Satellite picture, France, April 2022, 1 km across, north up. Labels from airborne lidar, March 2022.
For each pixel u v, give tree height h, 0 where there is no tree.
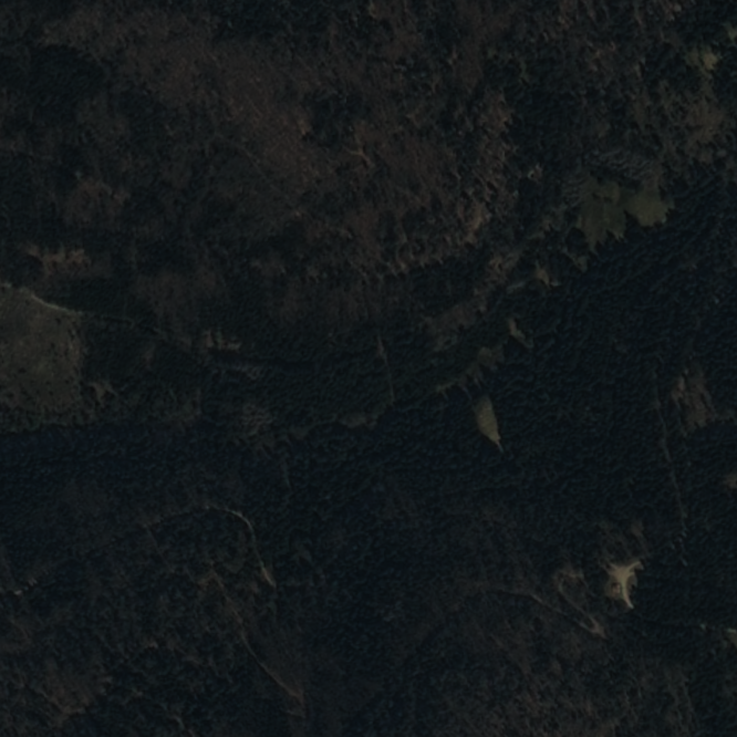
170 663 25
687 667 24
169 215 17
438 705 14
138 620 8
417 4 29
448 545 22
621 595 0
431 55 31
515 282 34
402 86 9
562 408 9
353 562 19
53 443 28
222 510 17
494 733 28
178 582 6
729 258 24
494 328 24
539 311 14
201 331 27
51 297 12
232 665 27
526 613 17
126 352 13
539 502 22
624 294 15
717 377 19
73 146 11
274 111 22
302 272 18
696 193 21
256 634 11
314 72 25
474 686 23
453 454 25
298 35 9
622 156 30
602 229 0
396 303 26
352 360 26
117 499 19
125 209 18
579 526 21
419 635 18
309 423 35
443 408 14
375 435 8
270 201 22
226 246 15
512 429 23
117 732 8
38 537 26
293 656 19
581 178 29
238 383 30
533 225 30
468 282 26
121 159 15
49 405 0
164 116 27
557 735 30
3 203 21
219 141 9
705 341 26
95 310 13
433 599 21
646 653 23
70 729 9
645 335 18
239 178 21
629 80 28
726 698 35
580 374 25
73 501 22
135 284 21
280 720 19
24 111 16
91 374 16
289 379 35
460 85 12
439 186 11
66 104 21
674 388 25
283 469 22
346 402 38
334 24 12
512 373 23
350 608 23
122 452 16
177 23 22
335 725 18
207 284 23
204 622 17
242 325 25
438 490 19
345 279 13
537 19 34
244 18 11
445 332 31
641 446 22
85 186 20
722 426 14
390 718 25
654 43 23
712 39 27
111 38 21
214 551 17
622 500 24
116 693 11
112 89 19
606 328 20
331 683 20
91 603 24
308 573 23
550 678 28
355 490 27
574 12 26
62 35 22
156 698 23
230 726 16
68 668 18
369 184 8
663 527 24
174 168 23
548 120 22
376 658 17
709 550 22
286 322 24
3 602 10
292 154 22
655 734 25
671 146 22
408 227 16
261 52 21
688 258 28
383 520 20
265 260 17
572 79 19
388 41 11
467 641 13
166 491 26
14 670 7
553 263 20
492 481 23
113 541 19
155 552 6
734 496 23
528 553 22
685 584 27
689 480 28
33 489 25
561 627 21
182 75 25
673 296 24
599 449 25
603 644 14
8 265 20
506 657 12
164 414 16
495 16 15
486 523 20
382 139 9
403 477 23
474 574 24
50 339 0
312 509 27
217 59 24
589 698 30
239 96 22
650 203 0
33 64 17
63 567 23
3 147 15
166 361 17
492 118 26
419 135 13
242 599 32
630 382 23
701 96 31
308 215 6
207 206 16
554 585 19
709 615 26
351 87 8
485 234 24
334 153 24
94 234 22
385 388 36
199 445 14
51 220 26
